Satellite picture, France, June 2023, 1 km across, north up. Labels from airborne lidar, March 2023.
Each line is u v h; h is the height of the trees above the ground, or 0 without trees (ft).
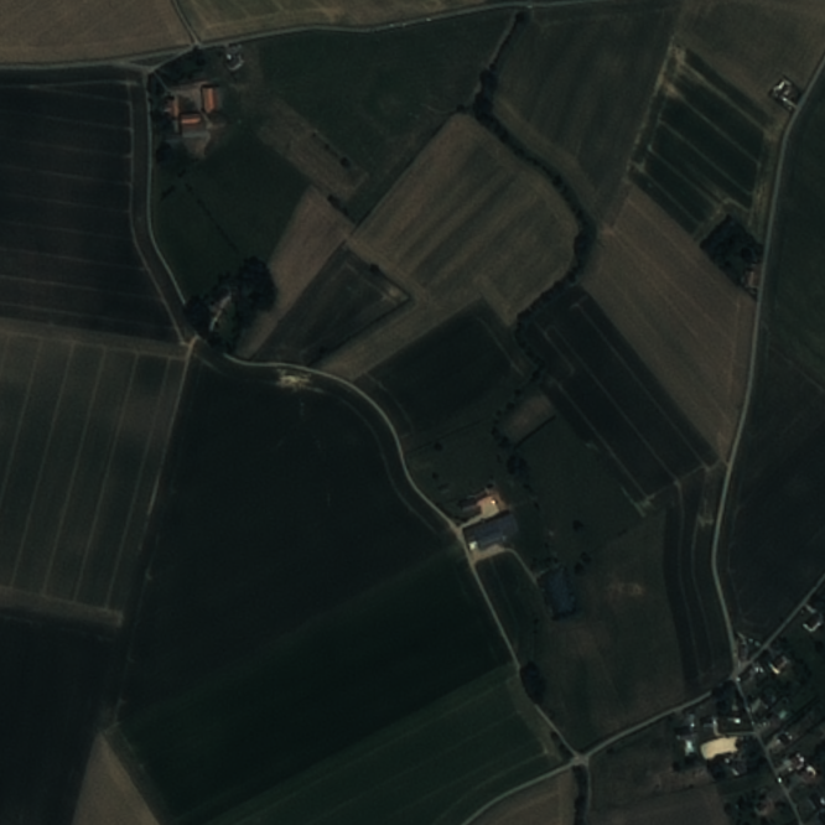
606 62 0
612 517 0
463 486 0
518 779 0
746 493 0
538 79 0
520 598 0
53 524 0
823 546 0
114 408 0
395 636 0
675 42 0
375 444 0
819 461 0
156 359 0
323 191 0
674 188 0
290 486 0
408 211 0
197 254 0
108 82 0
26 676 0
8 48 0
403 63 0
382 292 0
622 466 0
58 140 0
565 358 0
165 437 0
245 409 0
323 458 0
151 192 0
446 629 0
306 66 0
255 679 0
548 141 0
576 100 0
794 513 0
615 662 0
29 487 0
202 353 0
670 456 0
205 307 60
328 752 0
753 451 0
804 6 0
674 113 0
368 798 0
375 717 0
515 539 0
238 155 0
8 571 0
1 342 0
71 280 0
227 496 0
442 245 0
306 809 0
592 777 0
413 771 0
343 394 0
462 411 0
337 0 0
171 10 0
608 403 0
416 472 0
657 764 0
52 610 0
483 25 0
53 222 0
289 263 0
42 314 0
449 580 0
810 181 0
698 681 0
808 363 0
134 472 0
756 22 0
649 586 0
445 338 0
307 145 0
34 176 0
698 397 0
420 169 0
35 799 0
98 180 0
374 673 0
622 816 0
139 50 0
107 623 0
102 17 0
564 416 0
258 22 0
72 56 0
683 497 0
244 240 0
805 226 0
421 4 0
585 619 0
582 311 0
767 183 0
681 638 0
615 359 0
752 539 0
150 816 0
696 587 0
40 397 0
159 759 0
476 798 0
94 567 0
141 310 0
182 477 0
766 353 0
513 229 0
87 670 0
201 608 0
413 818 0
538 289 0
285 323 0
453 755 0
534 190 0
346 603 0
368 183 0
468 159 0
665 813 0
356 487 0
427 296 0
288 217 0
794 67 0
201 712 0
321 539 0
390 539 0
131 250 0
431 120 0
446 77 0
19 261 0
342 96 0
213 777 0
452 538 0
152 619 0
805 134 0
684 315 0
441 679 0
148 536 0
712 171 0
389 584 0
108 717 0
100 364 0
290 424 0
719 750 0
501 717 0
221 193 0
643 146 0
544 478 0
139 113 0
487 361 0
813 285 0
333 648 0
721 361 0
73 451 0
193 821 0
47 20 0
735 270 38
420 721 0
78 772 0
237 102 0
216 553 0
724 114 0
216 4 0
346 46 0
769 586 0
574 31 0
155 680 0
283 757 0
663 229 0
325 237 0
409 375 0
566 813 0
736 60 0
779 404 0
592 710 0
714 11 0
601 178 0
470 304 0
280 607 0
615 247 0
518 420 0
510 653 0
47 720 0
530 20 0
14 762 0
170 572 0
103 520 0
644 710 0
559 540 0
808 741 0
